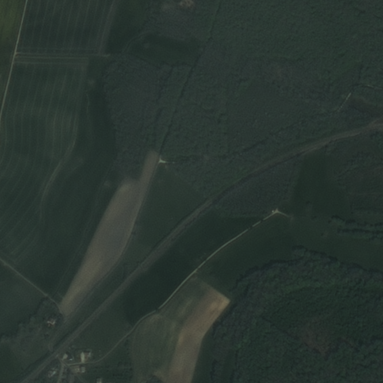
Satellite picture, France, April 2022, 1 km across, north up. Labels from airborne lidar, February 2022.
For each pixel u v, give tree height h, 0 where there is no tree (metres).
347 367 28
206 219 0
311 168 0
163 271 0
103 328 0
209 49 22
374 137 16
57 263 0
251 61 27
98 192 0
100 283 0
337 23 24
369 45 27
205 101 26
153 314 0
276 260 0
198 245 0
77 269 0
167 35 17
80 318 0
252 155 26
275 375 24
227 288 0
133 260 0
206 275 0
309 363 25
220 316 0
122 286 0
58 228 0
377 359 29
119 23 0
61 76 0
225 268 0
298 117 8
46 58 0
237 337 20
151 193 0
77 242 0
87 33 0
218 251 0
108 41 0
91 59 0
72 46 0
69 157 0
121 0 0
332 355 25
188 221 0
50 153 0
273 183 17
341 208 0
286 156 0
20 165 0
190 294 0
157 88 22
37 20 0
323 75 21
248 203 17
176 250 0
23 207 0
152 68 18
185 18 22
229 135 12
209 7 28
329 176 0
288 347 27
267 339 23
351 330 7
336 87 11
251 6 25
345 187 9
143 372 0
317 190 0
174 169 20
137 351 0
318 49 22
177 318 0
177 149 24
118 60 20
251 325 22
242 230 0
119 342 0
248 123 13
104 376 0
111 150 0
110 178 0
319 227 0
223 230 0
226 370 0
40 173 0
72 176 0
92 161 0
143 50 0
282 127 6
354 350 31
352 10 26
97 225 0
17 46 0
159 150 21
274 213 0
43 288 0
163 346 0
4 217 0
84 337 0
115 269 0
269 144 19
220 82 24
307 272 22
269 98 12
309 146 0
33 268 0
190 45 0
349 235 15
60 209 0
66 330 0
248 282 18
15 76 0
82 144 0
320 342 10
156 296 0
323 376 29
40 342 0
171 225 0
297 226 0
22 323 12
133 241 0
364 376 30
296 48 21
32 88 0
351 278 29
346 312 9
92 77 0
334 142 7
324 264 27
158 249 0
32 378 0
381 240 10
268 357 21
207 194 19
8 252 0
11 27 0
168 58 0
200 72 22
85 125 0
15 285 0
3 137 0
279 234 0
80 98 0
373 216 0
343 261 0
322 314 10
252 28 21
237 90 24
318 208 0
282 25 22
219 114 30
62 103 0
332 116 26
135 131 20
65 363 0
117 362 0
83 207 0
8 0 0
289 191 15
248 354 20
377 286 9
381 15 26
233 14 24
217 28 21
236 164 26
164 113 26
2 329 0
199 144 24
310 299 10
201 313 0
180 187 0
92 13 0
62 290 0
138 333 0
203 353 0
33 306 0
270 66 26
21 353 0
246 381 25
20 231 0
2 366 0
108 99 12
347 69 16
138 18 0
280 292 29
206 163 24
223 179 27
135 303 0
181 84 25
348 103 22
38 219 0
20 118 0
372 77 25
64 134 0
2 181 0
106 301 0
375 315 13
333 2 26
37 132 0
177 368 0
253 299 23
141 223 10
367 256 0
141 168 16
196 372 0
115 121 7
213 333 0
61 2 0
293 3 22
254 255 0
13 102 0
